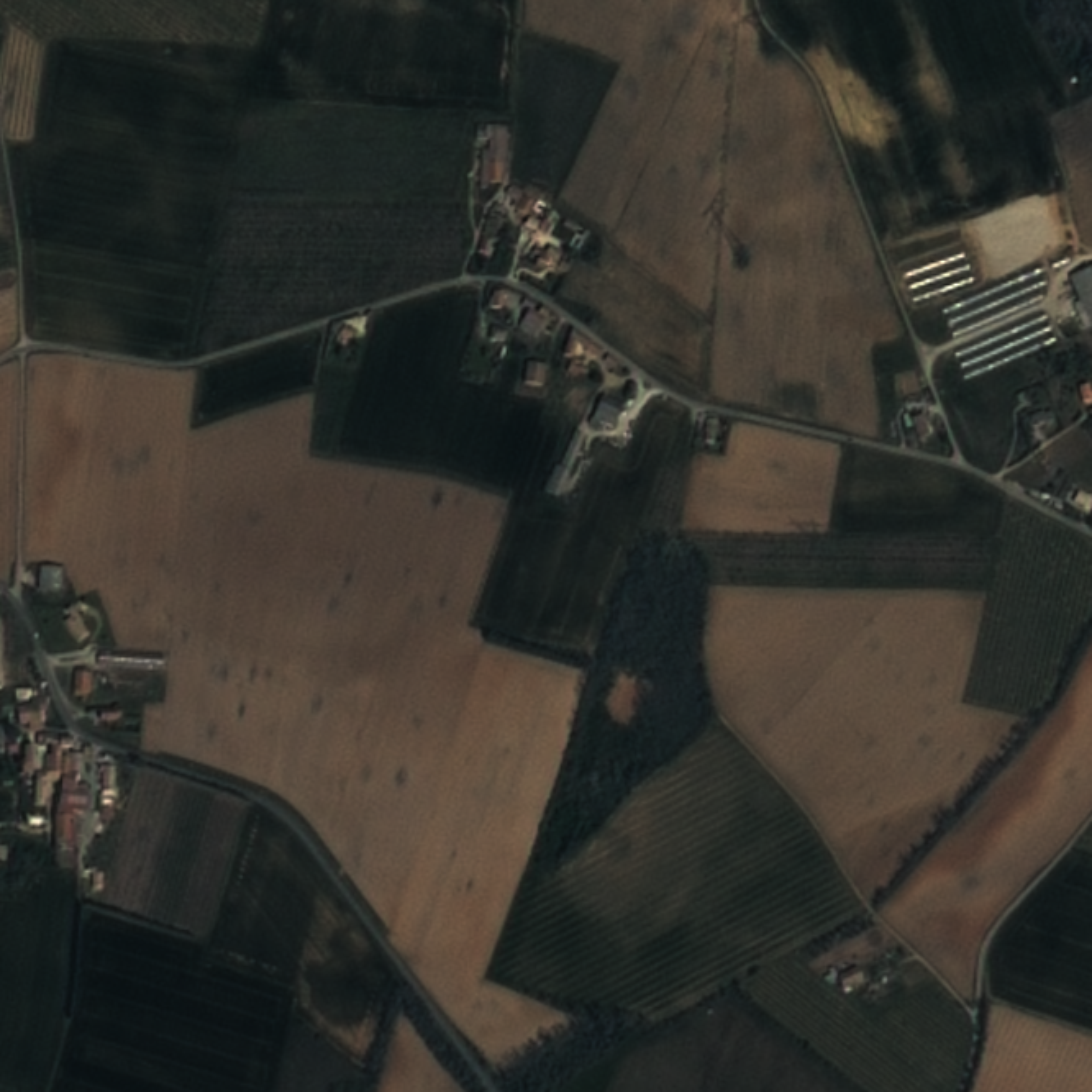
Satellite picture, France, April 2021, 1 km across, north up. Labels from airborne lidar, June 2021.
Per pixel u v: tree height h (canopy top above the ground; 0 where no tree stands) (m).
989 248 0
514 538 0
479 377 7
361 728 0
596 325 7
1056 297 0
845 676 0
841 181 0
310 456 0
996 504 0
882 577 0
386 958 0
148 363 0
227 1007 0
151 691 0
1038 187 0
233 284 7
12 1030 0
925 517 0
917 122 0
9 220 0
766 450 0
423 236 7
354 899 0
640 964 0
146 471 0
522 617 0
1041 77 0
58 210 0
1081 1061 0
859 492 0
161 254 0
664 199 0
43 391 0
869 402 0
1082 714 0
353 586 0
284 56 0
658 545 10
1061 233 0
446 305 0
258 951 0
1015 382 0
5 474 0
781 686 0
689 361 0
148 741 0
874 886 0
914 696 0
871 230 0
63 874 0
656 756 15
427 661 0
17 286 0
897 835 0
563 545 0
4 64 0
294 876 0
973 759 0
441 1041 14
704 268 0
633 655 11
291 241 8
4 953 0
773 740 0
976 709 0
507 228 9
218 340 7
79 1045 0
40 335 0
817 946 6
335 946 0
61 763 0
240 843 0
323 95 0
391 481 0
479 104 0
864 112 0
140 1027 0
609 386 0
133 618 0
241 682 0
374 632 0
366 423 0
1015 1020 0
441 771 0
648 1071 0
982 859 0
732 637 0
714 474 0
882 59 0
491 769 0
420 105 0
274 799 0
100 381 0
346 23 0
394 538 0
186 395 0
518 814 0
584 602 0
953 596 0
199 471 0
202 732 0
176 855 0
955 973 0
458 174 0
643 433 0
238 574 0
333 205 8
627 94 0
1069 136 0
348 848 0
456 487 0
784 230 0
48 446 0
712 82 0
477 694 0
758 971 7
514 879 0
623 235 0
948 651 0
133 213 0
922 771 0
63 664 0
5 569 0
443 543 0
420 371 0
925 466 0
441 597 0
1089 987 0
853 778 0
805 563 6
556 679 0
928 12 0
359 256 8
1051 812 0
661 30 0
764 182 0
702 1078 0
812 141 0
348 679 0
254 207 8
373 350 0
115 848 0
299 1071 0
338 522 0
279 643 0
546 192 0
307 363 0
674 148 0
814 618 0
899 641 0
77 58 0
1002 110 0
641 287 0
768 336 0
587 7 0
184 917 0
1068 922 0
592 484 0
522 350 7
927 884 0
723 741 0
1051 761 0
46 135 0
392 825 0
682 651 16
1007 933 0
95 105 0
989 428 0
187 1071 0
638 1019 10
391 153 0
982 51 0
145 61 0
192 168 0
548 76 0
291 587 0
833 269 0
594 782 10
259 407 0
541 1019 0
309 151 0
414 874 0
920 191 0
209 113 0
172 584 0
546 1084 7
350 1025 0
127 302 0
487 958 0
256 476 0
